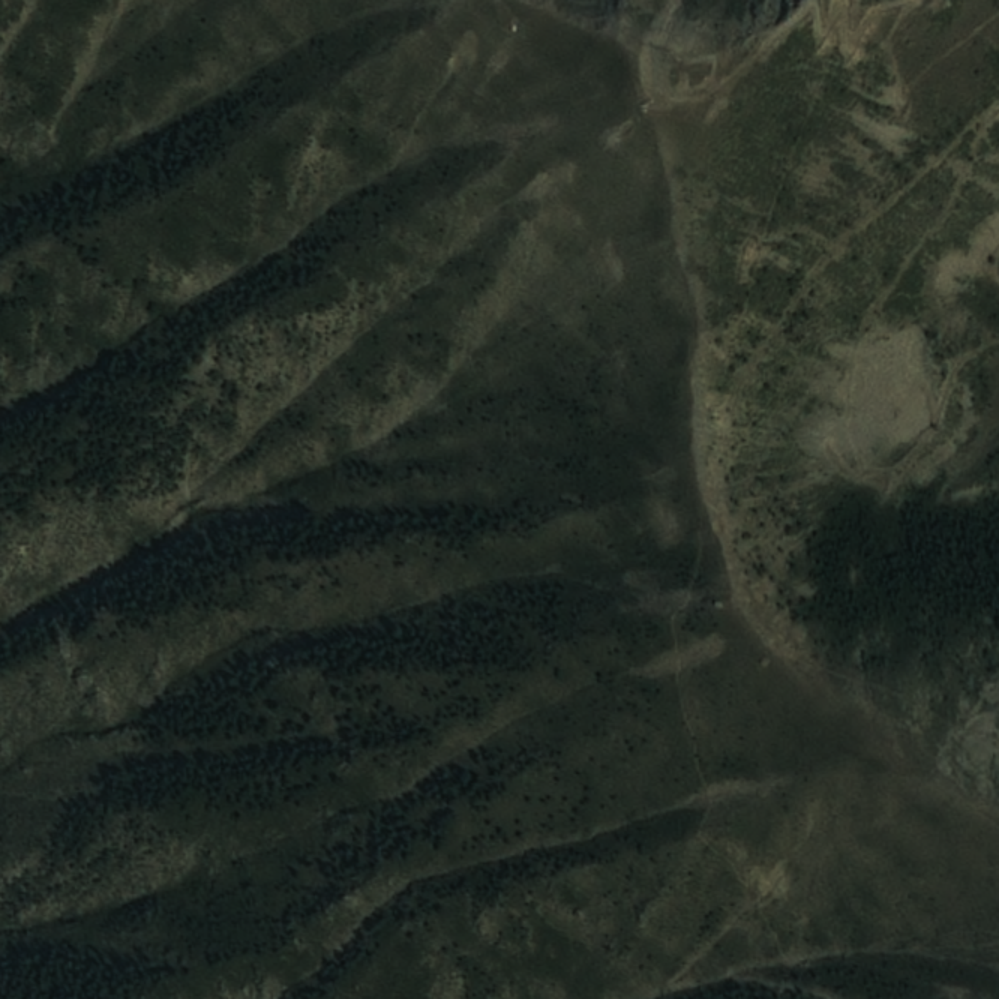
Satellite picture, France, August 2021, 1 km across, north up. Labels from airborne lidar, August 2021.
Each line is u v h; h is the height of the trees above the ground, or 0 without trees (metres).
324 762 14
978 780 0
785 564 0
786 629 0
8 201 0
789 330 8
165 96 0
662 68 0
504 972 0
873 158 0
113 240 0
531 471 0
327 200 0
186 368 7
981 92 0
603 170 0
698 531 0
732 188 0
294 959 0
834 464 0
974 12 0
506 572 0
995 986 0
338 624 0
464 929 0
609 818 0
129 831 8
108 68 0
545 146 0
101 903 0
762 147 0
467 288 0
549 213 0
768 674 0
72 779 0
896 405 0
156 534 0
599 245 0
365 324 0
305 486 0
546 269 0
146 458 12
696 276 0
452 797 8
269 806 10
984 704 0
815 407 0
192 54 0
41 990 17
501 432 0
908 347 0
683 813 0
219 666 0
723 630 0
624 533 0
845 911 0
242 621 0
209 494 0
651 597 0
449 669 11
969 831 0
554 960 0
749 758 0
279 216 0
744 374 0
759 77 0
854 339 0
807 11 0
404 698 0
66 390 12
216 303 9
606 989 0
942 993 0
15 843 0
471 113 0
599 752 0
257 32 0
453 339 0
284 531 15
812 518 0
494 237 0
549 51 0
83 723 0
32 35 0
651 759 0
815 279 0
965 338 0
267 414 0
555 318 0
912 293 0
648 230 0
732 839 0
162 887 0
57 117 0
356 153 0
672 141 0
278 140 0
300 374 0
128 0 0
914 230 0
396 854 13
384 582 0
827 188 0
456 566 0
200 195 0
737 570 0
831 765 0
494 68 0
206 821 0
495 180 0
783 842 0
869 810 0
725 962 0
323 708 0
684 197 0
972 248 0
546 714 0
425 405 0
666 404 0
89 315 0
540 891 0
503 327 0
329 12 0
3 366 0
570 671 0
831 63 0
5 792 0
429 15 0
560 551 0
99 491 6
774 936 0
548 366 0
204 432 0
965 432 0
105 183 20
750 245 0
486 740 0
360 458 0
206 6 0
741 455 0
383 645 11
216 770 14
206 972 0
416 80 0
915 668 0
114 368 22
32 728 0
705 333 0
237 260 0
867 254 0
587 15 0
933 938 0
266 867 0
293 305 0
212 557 12
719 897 0
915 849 0
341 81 0
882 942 0
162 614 10
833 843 0
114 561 0
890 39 0
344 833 0
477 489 0
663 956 0
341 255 0
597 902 0
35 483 13
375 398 0
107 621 0
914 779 0
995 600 13
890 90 0
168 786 14
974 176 0
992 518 6
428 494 0
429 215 0
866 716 0
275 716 17
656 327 0
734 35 0
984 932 0
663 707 0
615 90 0
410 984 0
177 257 0
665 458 0
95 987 18
